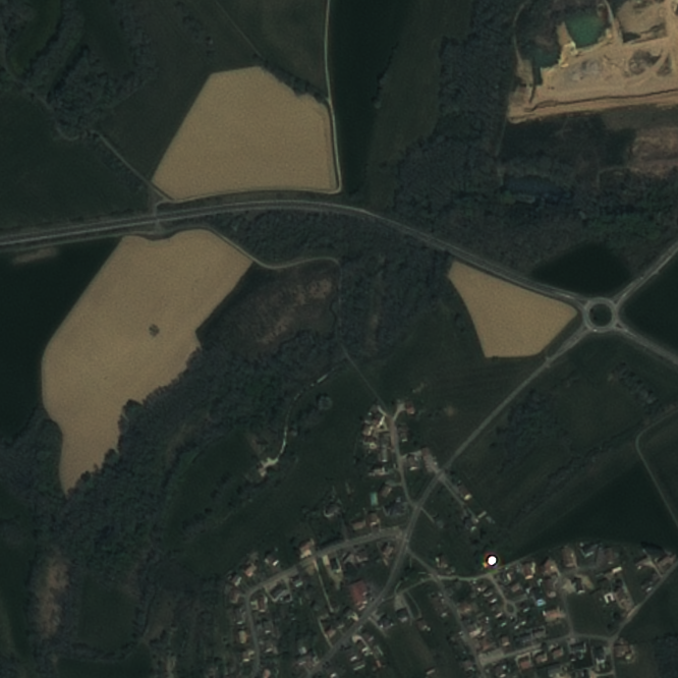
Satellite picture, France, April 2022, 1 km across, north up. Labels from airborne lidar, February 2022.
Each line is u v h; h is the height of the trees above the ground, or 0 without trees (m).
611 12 0
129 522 24
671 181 13
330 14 0
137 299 0
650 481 0
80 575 21
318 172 0
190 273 0
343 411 0
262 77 0
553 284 0
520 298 0
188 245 0
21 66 0
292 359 8
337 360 23
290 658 8
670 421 0
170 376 0
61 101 23
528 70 0
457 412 0
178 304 0
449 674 0
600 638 0
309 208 0
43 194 0
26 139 0
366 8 0
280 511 0
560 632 0
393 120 0
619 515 0
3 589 0
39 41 0
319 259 0
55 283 0
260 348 0
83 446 0
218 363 24
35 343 0
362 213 0
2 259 0
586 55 0
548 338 0
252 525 0
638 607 0
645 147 0
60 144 0
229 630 0
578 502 0
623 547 0
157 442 22
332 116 0
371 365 0
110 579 23
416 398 0
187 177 0
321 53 0
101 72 21
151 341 0
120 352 0
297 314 0
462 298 0
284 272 0
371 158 0
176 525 0
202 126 0
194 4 0
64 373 0
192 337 0
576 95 0
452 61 28
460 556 0
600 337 0
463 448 0
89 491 25
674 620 0
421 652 0
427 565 0
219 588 12
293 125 0
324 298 0
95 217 0
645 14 0
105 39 0
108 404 0
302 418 14
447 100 22
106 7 0
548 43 0
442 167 27
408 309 18
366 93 0
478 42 18
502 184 0
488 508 0
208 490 0
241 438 0
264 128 0
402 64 0
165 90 0
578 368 0
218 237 0
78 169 0
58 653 21
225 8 0
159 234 0
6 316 0
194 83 0
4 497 0
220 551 0
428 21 0
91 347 0
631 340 0
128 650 12
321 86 0
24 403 0
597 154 0
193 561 0
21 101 0
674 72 0
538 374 0
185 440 0
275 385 17
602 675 0
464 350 0
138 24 18
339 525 0
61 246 0
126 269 0
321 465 0
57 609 0
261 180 0
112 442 0
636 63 0
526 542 0
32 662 0
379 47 0
